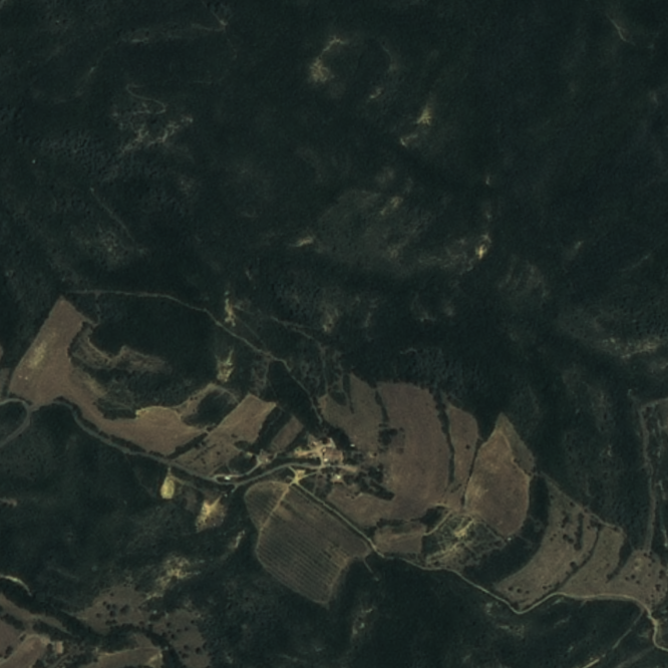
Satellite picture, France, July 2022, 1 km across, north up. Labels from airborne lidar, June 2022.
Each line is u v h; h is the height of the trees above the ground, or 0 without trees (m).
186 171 6
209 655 8
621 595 0
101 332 5
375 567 9
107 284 6
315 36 5
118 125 9
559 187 5
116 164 12
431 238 6
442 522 0
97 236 9
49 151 9
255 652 6
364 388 0
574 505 9
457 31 7
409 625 6
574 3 5
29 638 0
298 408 6
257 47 5
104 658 0
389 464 0
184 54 5
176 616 0
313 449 0
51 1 10
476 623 10
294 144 5
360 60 6
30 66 7
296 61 6
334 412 0
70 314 0
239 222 5
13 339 7
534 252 6
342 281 7
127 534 9
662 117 7
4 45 6
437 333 6
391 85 6
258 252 5
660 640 0
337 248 10
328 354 6
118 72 6
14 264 6
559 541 0
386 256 0
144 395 7
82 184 8
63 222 10
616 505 8
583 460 9
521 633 0
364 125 6
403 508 0
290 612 6
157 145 10
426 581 7
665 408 0
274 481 0
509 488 0
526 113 6
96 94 7
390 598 6
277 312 8
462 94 6
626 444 5
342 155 6
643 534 6
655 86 6
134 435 0
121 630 5
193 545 6
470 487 0
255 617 9
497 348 6
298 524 0
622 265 6
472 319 6
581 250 6
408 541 0
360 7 8
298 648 0
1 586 10
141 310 6
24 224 7
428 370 15
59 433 5
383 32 7
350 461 8
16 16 6
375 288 8
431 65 7
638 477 6
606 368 8
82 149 10
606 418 11
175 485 0
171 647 9
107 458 7
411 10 6
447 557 0
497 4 7
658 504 8
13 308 7
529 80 5
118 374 7
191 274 8
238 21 7
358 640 6
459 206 8
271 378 6
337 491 0
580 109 5
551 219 6
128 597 0
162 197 13
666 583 0
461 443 0
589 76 7
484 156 8
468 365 5
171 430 0
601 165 8
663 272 10
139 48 7
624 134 6
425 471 0
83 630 12
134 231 5
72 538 9
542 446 8
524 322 9
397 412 0
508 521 0
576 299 6
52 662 9
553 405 7
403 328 6
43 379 0
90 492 7
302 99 7
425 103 6
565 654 6
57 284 6
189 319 5
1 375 0
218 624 6
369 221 8
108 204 6
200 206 6
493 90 6
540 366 5
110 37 5
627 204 6
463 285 7
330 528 0
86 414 0
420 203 6
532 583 0
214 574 9
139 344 5
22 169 8
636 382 7
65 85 6
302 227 10
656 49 6
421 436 0
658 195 5
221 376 0
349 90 6
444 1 7
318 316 6
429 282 7
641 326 9
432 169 8
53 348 0
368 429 0
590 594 0
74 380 0
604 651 7
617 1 6
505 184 7
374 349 6
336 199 7
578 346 7
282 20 6
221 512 0
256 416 0
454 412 0
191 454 0
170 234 7
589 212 7
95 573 5
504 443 0
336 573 0
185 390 5
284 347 6
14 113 6
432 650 6
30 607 5
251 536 9
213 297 6
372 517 0
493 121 6
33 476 9
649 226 5
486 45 6
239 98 6
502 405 7
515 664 6
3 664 0
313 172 6
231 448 0
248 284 6
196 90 6
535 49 6
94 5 12
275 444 0
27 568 6
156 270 7
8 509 6
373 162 6
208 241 5
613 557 0
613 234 7
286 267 9
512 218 7
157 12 6
